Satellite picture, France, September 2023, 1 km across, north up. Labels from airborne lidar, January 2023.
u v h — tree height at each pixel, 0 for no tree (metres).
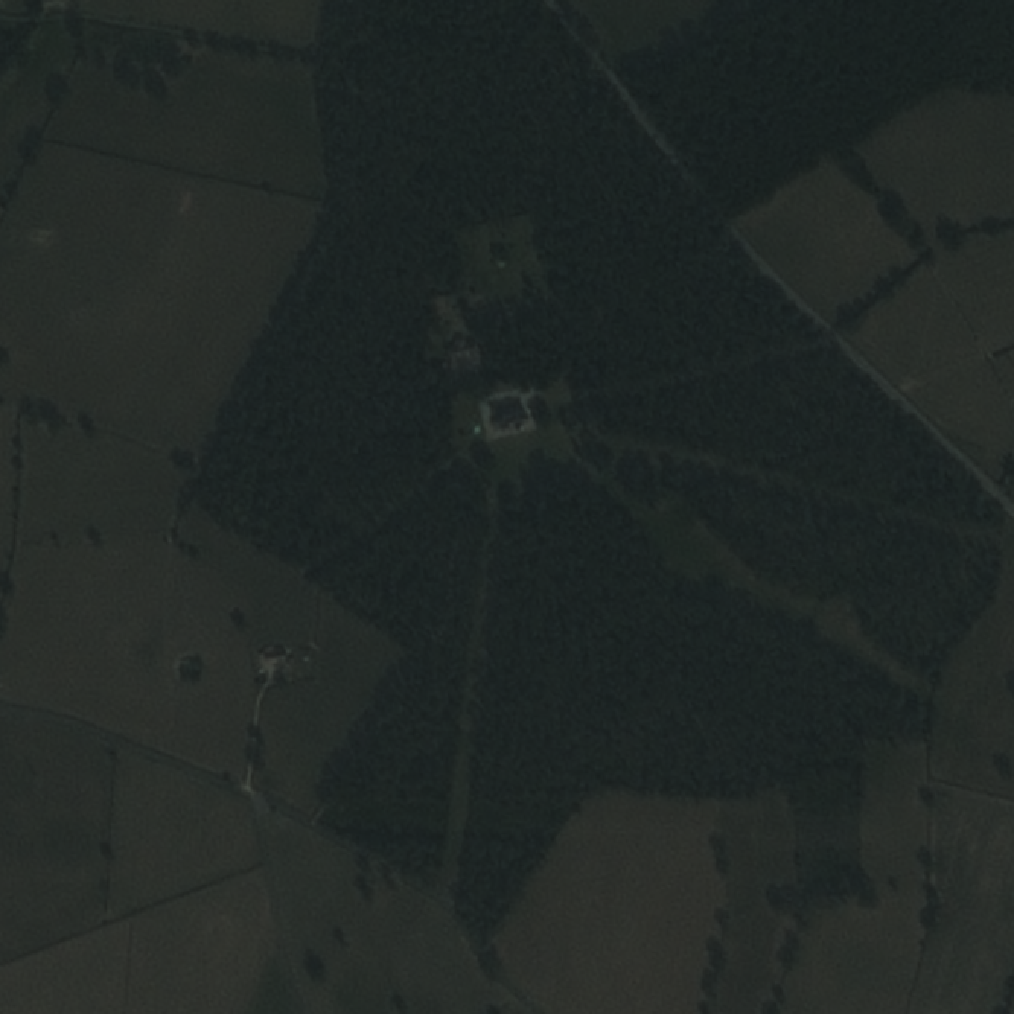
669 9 0
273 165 0
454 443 19
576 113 29
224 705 0
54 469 0
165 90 19
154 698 0
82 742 0
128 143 0
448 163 28
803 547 28
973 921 0
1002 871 0
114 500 0
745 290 24
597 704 27
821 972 0
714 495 25
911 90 22
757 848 0
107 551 0
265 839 0
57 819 0
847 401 24
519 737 25
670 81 27
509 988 0
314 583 15
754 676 29
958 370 0
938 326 0
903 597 27
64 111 0
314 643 0
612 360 27
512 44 29
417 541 23
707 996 12
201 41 10
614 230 31
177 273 0
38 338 0
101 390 0
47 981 0
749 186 24
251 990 0
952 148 0
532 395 0
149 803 0
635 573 31
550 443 0
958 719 0
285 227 0
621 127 25
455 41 26
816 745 20
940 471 22
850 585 26
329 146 9
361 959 0
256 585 0
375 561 22
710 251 25
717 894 0
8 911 0
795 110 24
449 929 0
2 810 0
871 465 24
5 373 0
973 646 0
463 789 0
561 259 27
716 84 25
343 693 0
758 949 0
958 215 0
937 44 27
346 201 25
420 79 28
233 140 0
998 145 0
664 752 24
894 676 0
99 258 0
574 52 0
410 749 20
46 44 0
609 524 28
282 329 23
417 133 25
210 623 0
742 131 25
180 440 0
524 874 18
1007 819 0
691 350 29
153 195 0
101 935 0
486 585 0
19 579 0
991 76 25
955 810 0
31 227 0
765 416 27
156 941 0
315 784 0
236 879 0
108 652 0
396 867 18
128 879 0
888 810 0
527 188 28
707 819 0
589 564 28
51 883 0
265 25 0
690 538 0
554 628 28
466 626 22
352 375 25
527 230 0
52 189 0
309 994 0
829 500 0
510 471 0
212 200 0
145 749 0
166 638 0
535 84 28
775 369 24
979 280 0
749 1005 0
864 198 0
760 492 22
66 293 0
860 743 23
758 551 27
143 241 0
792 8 29
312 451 27
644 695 26
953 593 23
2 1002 0
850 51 27
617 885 0
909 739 21
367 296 24
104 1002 0
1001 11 24
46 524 0
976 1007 0
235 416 17
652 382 18
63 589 0
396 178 26
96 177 0
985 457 0
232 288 0
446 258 24
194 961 0
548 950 0
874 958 0
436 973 0
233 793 0
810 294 0
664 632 30
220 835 0
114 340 0
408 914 0
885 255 0
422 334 21
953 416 0
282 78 0
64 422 7
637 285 26
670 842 0
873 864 0
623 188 29
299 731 0
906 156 0
